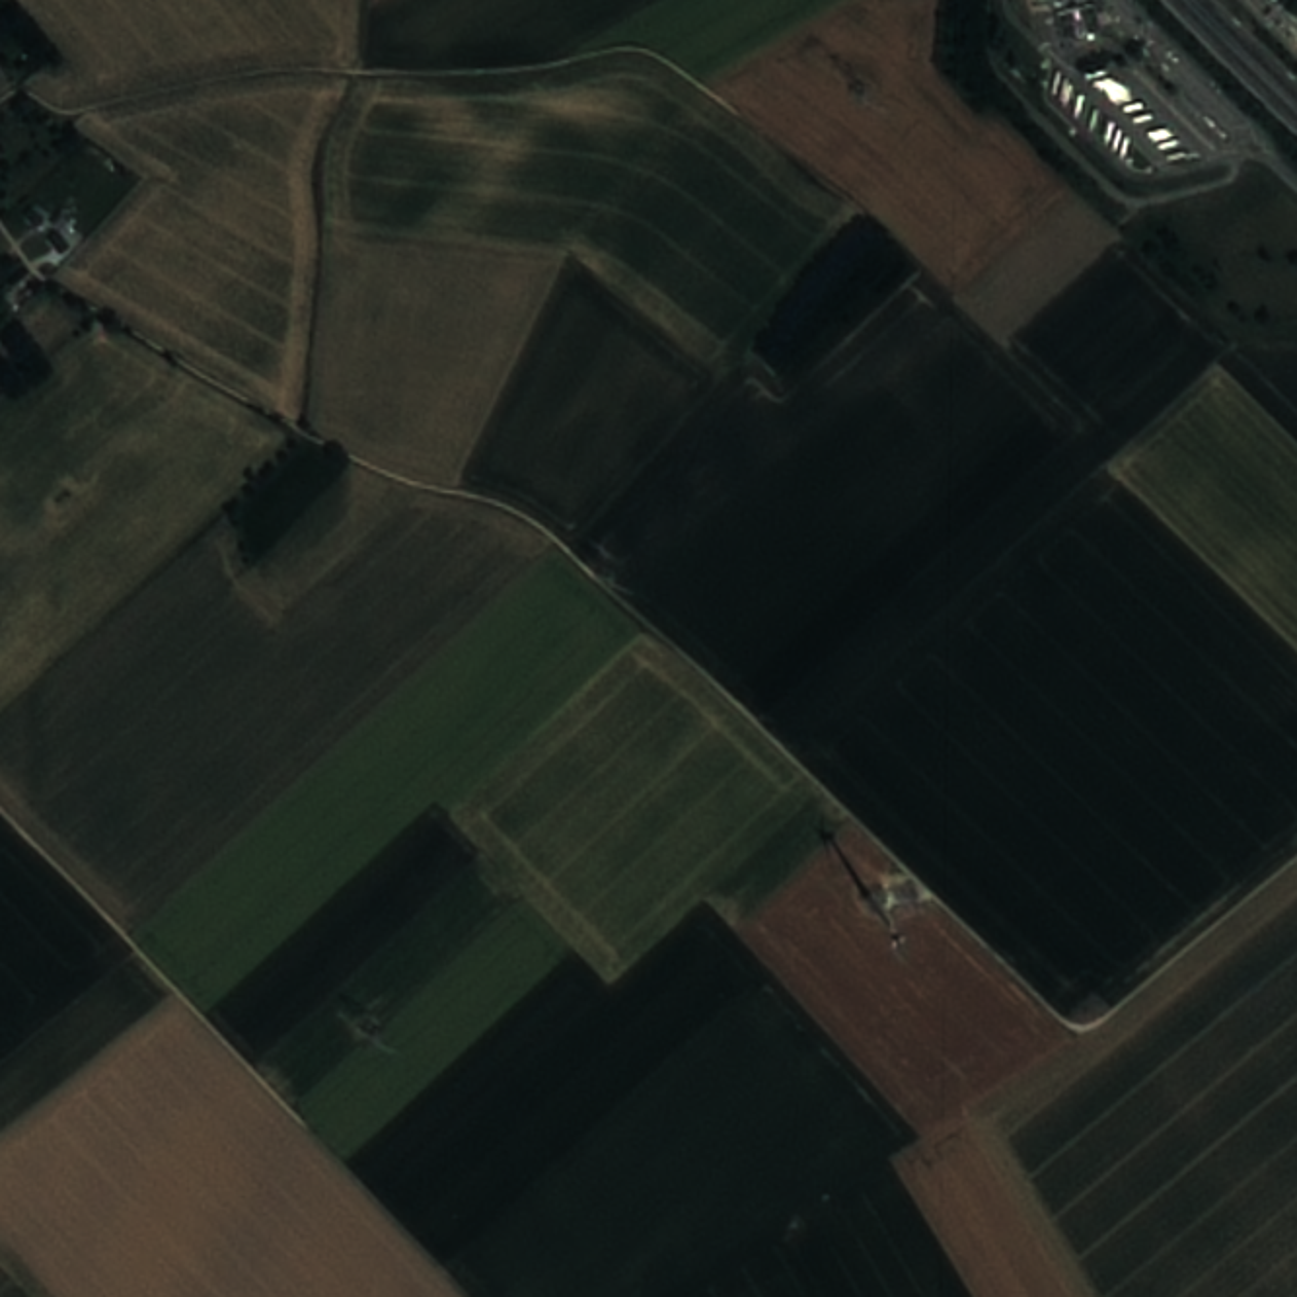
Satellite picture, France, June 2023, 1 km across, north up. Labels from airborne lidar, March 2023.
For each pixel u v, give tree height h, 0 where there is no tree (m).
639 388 0
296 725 0
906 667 0
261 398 0
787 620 0
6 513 0
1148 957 0
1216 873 0
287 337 0
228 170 0
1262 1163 0
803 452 0
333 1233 0
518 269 0
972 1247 0
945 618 0
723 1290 0
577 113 0
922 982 0
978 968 0
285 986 0
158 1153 0
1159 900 0
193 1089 0
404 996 0
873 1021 0
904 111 0
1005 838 0
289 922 0
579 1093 0
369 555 0
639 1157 0
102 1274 0
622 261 0
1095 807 0
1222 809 0
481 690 0
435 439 0
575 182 0
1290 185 0
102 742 0
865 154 0
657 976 0
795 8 0
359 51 0
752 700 0
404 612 0
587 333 0
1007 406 0
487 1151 0
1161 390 0
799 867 0
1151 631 0
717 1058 0
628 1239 0
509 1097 0
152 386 0
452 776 0
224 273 0
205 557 0
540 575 0
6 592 0
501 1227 0
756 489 0
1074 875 0
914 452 0
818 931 0
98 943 0
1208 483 0
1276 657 0
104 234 0
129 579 0
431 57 0
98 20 0
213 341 0
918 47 0
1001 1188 0
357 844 0
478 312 0
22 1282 0
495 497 0
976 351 0
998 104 12
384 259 0
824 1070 0
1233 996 0
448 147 0
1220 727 0
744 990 0
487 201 0
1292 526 0
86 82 0
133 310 0
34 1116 0
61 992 0
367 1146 0
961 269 0
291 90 0
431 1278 0
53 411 0
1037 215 0
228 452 0
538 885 0
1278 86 0
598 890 0
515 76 0
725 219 0
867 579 0
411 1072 0
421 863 0
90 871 0
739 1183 0
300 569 0
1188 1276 0
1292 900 0
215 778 0
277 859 0
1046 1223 0
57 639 0
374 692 0
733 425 0
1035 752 0
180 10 0
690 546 0
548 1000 0
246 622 0
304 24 0
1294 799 0
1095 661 0
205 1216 0
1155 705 0
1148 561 0
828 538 0
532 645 0
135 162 0
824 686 0
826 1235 0
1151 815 0
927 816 0
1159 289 0
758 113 0
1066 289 0
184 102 0
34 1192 0
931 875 0
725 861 0
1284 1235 0
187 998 0
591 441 0
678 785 0
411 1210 0
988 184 0
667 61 0
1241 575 0
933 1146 0
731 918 0
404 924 0
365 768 0
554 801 0
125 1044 0
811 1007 0
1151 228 0
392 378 0
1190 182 0
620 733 0
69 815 0
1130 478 0
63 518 0
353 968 0
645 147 0
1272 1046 0
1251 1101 0
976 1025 0
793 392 0
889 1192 0
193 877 0
